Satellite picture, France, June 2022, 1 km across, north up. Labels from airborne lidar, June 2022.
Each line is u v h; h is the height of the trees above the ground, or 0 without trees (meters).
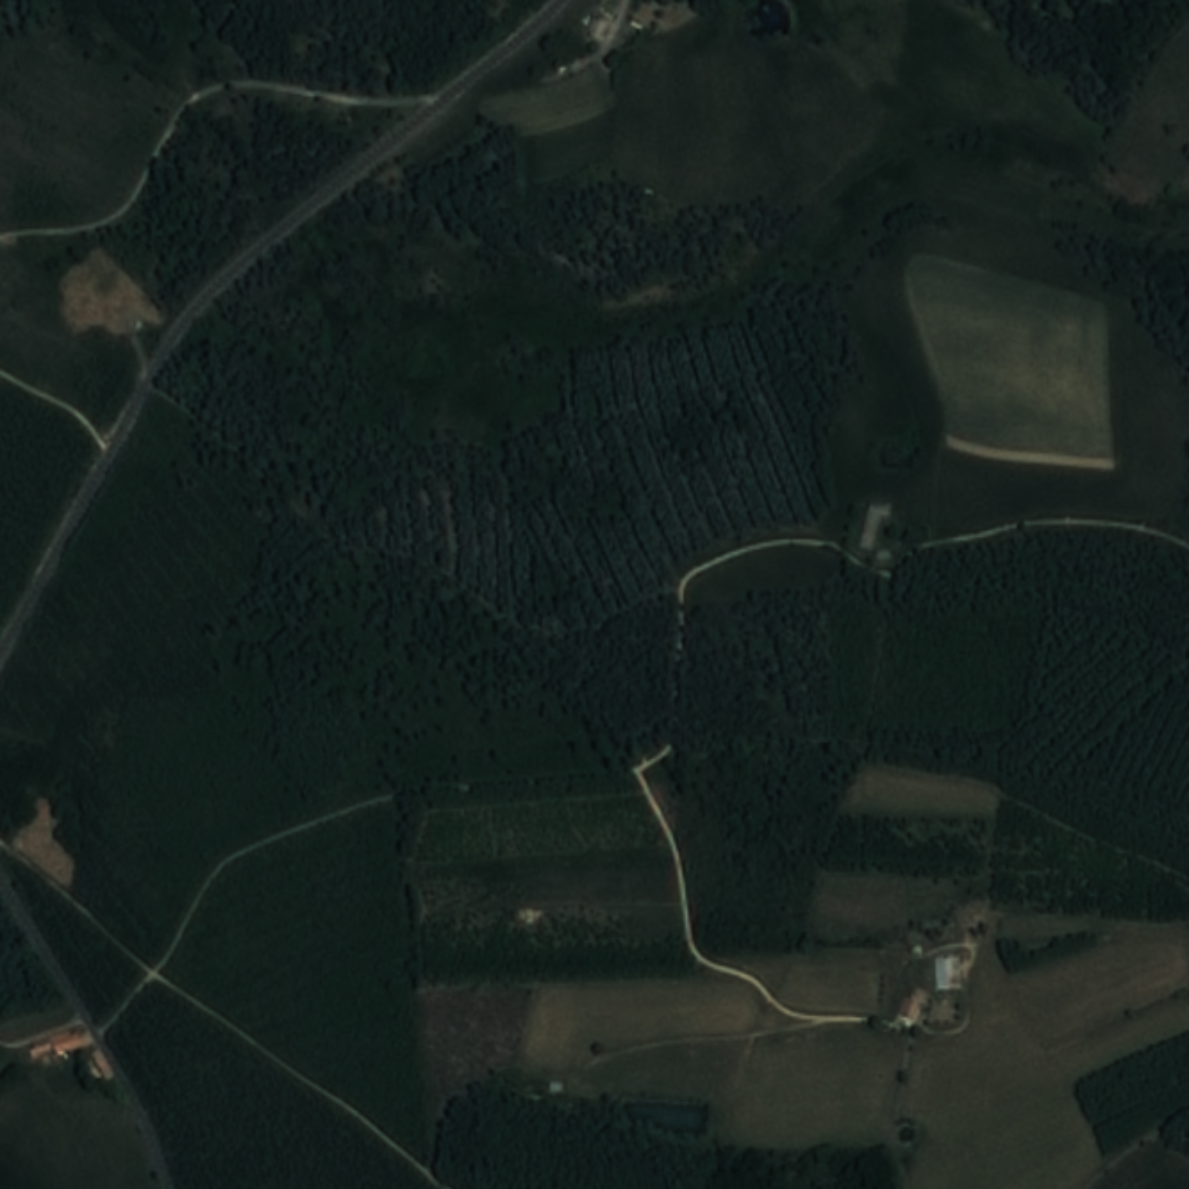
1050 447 0
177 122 6
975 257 0
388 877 6
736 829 15
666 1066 0
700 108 0
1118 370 0
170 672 6
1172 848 15
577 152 0
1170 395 0
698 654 14
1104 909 11
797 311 15
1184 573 11
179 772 6
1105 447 0
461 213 22
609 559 15
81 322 0
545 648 13
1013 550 6
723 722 16
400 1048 6
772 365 19
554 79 0
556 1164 18
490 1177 19
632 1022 0
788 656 12
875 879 0
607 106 0
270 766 6
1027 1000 0
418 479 9
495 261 13
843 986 0
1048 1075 0
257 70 21
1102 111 15
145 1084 7
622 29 0
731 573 0
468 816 5
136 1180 0
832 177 0
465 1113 20
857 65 0
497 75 0
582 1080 0
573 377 10
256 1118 6
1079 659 14
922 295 0
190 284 14
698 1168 13
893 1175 14
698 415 12
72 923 8
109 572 6
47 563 0
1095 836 11
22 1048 0
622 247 14
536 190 6
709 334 16
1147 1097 16
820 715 12
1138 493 0
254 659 12
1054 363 0
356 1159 5
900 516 0
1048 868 7
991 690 8
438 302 9
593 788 13
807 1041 0
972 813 0
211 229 6
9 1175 0
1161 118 0
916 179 0
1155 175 0
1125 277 14
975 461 0
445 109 0
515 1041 0
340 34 19
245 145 15
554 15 0
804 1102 0
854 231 0
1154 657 13
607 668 19
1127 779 13
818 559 0
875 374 0
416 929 13
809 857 10
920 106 0
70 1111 0
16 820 8
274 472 15
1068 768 15
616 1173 14
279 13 18
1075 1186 0
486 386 0
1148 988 0
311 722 11
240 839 6
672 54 0
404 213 9
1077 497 0
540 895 0
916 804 0
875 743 13
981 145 8
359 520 11
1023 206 0
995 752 11
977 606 13
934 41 0
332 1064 6
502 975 12
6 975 29
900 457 0
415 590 20
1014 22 16
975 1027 0
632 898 0
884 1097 0
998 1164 0
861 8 0
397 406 9
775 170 0
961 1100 0
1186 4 12
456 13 19
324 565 13
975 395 0
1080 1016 0
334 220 10
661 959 7
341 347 13
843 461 0
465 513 12
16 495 7
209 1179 7
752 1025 0
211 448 17
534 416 0
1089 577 13
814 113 0
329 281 10
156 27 12
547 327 0
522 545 12
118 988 9
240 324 12
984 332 0
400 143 0
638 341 11
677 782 17
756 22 8
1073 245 8
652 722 18
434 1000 0
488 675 13
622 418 8
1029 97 0
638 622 14
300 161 8
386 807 6
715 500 10
